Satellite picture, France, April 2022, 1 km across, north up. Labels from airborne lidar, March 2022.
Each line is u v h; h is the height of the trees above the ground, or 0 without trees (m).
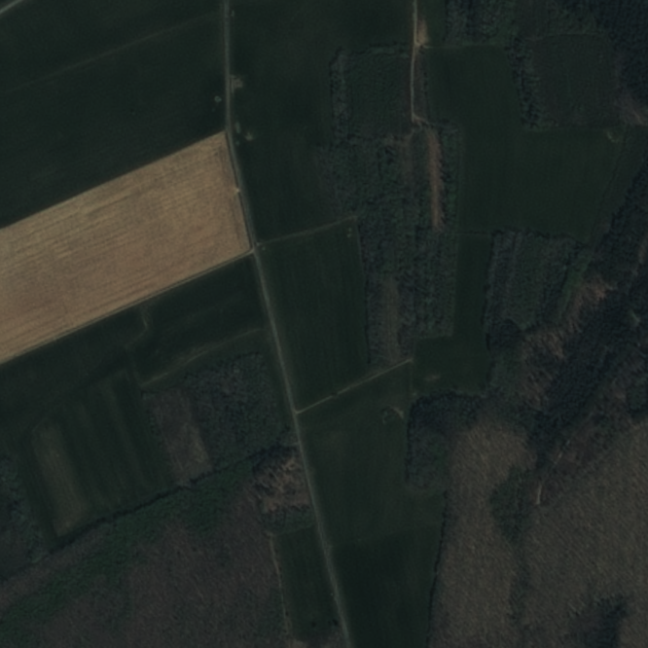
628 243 18
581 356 24
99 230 0
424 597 0
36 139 0
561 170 0
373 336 19
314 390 0
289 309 0
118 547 17
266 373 10
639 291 20
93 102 0
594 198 0
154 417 9
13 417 0
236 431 18
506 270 18
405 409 0
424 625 0
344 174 13
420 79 0
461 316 0
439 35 0
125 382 0
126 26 0
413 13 0
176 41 0
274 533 19
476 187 0
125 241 0
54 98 0
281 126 0
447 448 25
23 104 0
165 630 15
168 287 0
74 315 0
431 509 0
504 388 23
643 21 20
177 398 0
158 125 0
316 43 0
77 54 0
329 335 0
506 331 23
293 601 0
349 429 0
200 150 0
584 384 29
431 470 25
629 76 22
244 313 0
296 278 0
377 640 0
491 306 16
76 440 0
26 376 0
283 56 0
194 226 0
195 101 0
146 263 0
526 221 0
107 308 0
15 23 0
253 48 0
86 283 0
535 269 20
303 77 0
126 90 0
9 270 0
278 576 17
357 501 0
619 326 31
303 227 0
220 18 0
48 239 0
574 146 0
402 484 0
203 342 0
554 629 0
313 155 0
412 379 0
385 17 0
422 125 0
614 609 15
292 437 16
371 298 16
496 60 0
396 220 13
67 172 0
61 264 0
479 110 0
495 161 0
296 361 0
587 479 20
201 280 0
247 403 21
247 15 0
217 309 0
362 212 17
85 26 0
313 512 15
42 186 0
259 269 0
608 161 0
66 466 0
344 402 0
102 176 0
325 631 0
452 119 0
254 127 0
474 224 0
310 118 0
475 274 0
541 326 14
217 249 0
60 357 0
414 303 23
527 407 17
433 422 24
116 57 0
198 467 0
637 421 21
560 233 0
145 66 0
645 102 23
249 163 0
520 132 0
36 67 0
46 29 0
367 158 14
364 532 0
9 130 0
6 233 0
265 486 20
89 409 0
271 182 0
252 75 0
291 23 0
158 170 0
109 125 0
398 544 0
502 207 0
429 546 0
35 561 21
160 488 0
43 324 0
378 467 0
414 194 18
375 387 0
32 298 0
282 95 0
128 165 0
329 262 0
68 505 0
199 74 0
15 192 0
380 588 0
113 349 0
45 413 0
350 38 0
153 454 0
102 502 0
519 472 18
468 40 19
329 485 0
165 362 0
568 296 21
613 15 18
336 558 0
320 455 0
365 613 0
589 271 22
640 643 0
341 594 0
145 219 0
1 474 22
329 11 0
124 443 0
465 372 0
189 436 0
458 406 23
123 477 0
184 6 0
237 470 15
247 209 0
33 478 0
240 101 0
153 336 0
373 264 13
